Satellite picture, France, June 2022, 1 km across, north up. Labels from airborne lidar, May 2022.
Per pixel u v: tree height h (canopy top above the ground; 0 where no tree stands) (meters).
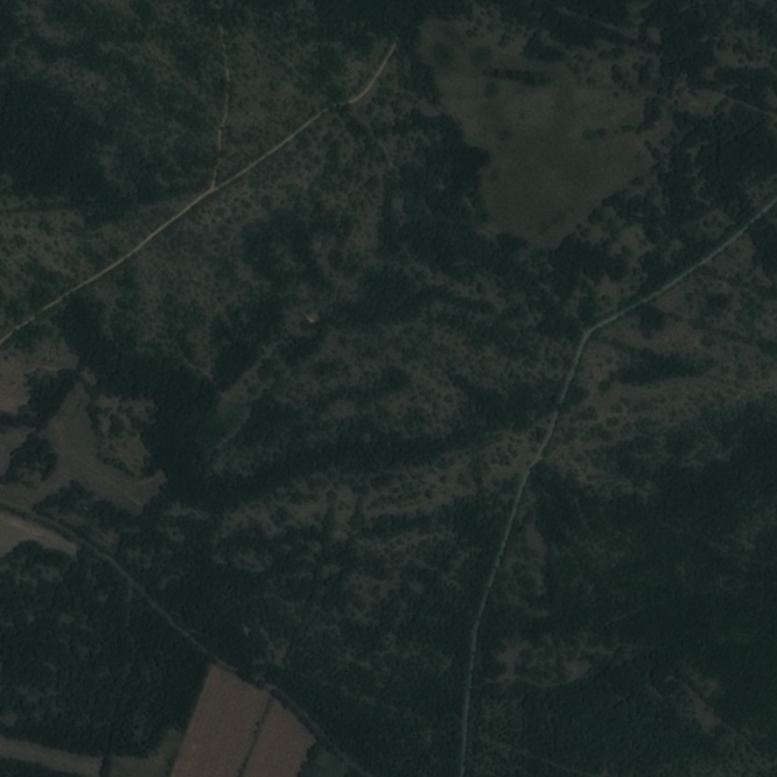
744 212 10
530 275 6
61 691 13
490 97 0
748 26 7
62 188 8
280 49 5
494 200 0
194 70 7
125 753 9
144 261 0
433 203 9
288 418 7
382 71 0
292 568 10
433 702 6
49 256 0
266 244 6
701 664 6
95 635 7
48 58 9
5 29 9
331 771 0
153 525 6
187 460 9
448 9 6
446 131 9
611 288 0
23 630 9
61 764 0
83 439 0
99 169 6
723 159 14
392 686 6
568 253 11
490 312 8
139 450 0
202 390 8
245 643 11
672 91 7
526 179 0
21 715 8
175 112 7
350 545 8
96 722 10
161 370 6
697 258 8
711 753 9
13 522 0
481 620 10
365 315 7
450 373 9
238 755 0
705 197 8
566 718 10
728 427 7
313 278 6
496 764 10
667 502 12
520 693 6
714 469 10
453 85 0
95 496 7
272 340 6
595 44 8
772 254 10
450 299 8
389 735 6
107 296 0
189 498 10
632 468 7
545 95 0
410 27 10
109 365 14
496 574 6
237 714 0
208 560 8
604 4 15
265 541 9
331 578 8
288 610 8
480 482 7
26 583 6
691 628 6
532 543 0
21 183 6
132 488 0
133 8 6
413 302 8
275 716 0
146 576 9
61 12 7
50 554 10
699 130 10
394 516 7
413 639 7
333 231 7
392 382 10
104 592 10
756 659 6
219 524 6
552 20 10
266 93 0
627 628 6
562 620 6
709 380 0
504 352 8
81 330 13
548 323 8
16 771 9
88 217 7
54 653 13
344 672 6
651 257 12
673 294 0
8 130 8
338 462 9
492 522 7
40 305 5
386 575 6
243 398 0
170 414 13
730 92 8
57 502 10
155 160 7
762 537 7
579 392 8
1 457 0
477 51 0
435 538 6
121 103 6
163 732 14
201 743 0
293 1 6
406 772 6
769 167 8
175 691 15
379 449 10
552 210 0
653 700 6
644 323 7
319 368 7
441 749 5
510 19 8
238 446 7
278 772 0
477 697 8
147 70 6
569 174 0
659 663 15
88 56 7
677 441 7
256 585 10
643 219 8
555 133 0
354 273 6
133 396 11
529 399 6
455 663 7
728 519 7
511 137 0
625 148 0
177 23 6
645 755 10
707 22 9
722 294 6
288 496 7
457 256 9
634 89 8
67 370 10
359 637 6
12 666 10
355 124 7
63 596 7
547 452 6
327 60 7
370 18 9
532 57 9
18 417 7
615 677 13
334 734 8
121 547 8
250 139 6
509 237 11
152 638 13
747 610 7
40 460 13
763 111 9
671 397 0
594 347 0
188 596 13
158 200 6
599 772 7
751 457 9
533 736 12
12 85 8
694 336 0
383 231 8
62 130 9
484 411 8
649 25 9
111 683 10
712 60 9
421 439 7
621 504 10
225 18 7
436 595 6
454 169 9
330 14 10
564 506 6
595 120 0
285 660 6
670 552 6
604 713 11
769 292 10
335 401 7
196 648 10
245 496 8
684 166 9
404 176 7
